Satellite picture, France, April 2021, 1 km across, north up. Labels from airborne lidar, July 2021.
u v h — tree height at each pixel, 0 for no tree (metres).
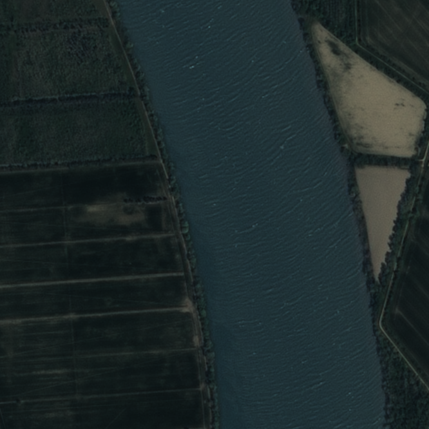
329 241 0
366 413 0
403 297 0
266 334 0
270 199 0
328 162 0
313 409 0
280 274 0
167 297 0
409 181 16
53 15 9
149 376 0
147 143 16
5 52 24
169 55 0
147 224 0
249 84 0
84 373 0
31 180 0
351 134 0
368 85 0
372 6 0
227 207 0
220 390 0
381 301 19
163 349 0
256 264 0
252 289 0
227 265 0
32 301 0
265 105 0
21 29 8
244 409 0
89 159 18
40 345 0
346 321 0
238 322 0
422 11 0
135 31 0
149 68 0
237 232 0
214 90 0
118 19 15
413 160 9
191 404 0
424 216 0
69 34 14
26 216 0
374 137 0
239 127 0
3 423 0
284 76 0
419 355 0
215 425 14
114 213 0
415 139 0
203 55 0
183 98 0
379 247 0
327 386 0
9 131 16
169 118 0
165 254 0
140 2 0
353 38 16
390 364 17
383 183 0
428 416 14
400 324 0
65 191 0
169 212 0
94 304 0
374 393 0
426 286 0
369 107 0
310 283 0
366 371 0
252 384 0
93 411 0
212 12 0
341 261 0
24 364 0
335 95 0
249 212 0
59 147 12
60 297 0
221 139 0
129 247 0
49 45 13
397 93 0
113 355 0
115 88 10
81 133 15
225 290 0
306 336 0
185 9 0
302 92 0
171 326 0
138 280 0
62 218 0
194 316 0
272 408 0
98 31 12
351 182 8
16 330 0
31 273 0
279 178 0
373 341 0
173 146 0
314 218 0
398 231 17
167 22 0
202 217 0
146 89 20
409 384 6
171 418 0
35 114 18
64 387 0
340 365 0
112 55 18
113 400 0
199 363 0
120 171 0
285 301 0
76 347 0
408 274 0
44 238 0
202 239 0
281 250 0
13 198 0
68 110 18
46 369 0
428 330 0
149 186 0
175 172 0
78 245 0
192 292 0
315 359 0
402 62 0
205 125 0
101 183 0
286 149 0
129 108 8
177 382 0
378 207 0
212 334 0
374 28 0
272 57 0
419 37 0
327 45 0
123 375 0
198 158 0
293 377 0
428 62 0
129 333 0
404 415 15
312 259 0
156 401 0
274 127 0
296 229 0
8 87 24
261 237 0
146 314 0
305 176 0
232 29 0
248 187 0
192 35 0
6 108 24
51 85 16
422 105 0
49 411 0
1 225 0
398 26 0
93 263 0
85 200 0
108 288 0
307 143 0
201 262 0
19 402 12
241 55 0
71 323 0
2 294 0
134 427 0
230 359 0
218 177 0
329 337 0
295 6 13
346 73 0
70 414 0
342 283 0
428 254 0
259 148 0
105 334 0
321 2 16
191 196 0
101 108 22
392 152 0
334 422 0
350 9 10
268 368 0
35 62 17
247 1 0
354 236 0
